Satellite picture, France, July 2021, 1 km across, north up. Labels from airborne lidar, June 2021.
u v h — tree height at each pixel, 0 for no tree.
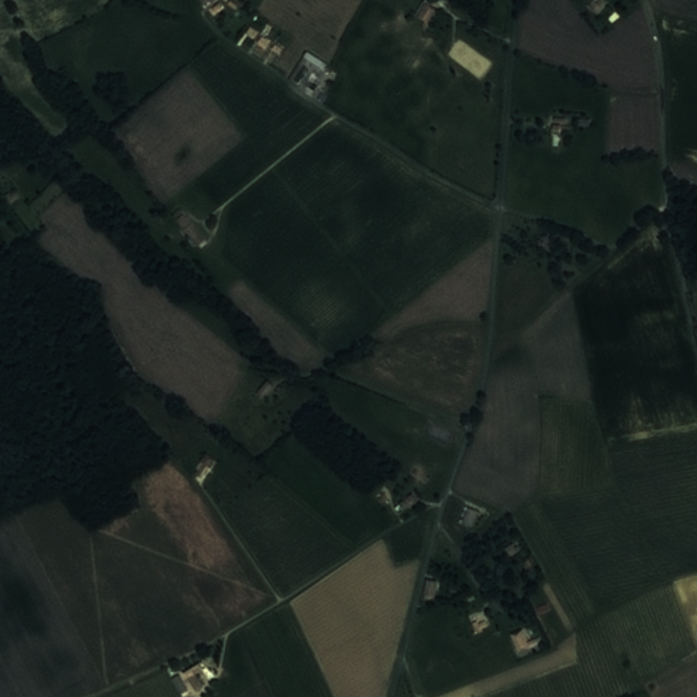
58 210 0
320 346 0
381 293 0
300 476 0
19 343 27
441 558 0
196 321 0
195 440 0
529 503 0
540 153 0
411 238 0
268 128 0
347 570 0
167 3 0
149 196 12
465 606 7
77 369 23
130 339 0
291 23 0
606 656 0
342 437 24
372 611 0
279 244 0
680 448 0
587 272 0
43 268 18
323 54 0
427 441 0
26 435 21
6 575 0
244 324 22
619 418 0
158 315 0
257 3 0
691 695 0
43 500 15
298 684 0
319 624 0
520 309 0
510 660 0
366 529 0
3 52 0
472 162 0
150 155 0
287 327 0
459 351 0
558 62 0
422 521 0
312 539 0
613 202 0
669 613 0
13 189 7
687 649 0
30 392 29
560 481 0
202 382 0
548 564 0
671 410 0
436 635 0
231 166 0
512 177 0
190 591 0
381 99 0
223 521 0
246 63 0
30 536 0
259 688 0
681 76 0
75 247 0
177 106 0
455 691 0
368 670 0
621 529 0
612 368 0
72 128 17
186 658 7
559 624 0
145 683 0
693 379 0
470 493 0
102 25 0
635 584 0
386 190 0
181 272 28
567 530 0
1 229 0
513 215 0
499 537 13
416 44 0
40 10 0
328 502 0
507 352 0
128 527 0
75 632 0
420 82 0
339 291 0
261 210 0
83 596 0
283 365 19
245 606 0
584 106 0
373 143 0
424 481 0
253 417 0
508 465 0
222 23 6
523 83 0
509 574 20
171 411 15
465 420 13
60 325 19
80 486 23
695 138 0
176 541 0
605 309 0
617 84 0
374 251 0
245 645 0
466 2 24
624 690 0
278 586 0
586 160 0
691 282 20
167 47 0
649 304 0
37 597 0
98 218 19
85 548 0
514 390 0
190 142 0
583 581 0
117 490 19
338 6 0
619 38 0
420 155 0
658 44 0
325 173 0
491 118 0
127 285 0
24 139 23
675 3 0
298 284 0
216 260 0
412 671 0
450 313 0
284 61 0
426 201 0
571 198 0
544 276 0
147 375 0
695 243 13
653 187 0
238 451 10
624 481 0
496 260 0
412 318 0
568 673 0
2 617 0
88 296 28
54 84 20
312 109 0
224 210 0
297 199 0
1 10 0
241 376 0
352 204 0
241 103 0
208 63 0
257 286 0
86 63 0
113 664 0
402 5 0
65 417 9
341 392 0
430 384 0
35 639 0
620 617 0
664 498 0
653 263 0
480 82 0
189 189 0
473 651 0
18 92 0
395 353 0
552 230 12
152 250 24
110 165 0
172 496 0
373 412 0
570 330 0
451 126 0
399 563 0
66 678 0
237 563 0
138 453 26
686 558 0
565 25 0
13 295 28
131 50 0
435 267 0
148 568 0
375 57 0
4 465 24
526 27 0
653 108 0
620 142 0
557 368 0
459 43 0
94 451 21
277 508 0
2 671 0
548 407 0
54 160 25
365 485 23
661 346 0
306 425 21
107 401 8
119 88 28
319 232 0
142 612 0
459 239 0
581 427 0
